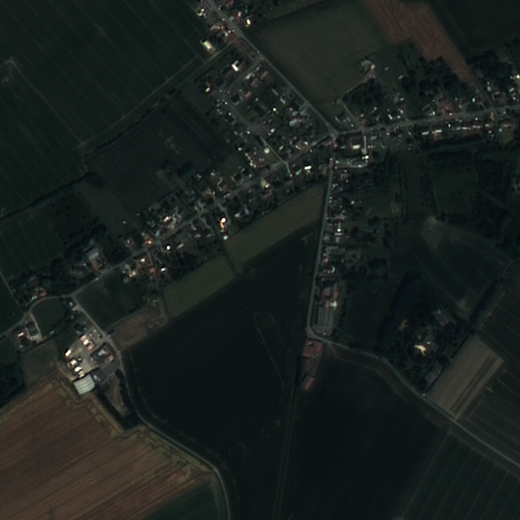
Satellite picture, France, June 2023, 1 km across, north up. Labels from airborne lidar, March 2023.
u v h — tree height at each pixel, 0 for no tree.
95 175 10
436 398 0
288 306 0
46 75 0
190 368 0
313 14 0
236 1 11
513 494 0
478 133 0
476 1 0
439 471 0
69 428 0
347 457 0
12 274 0
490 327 0
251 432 0
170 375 0
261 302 0
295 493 0
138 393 0
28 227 0
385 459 0
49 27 0
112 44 0
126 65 0
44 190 0
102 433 0
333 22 0
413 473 0
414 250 0
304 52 0
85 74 0
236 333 0
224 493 0
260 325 0
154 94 0
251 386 0
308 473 0
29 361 0
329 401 0
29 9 0
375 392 0
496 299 0
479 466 0
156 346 0
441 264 0
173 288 0
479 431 0
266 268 0
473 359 0
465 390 0
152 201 0
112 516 0
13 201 0
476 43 0
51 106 0
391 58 0
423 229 0
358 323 0
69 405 0
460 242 0
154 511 0
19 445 0
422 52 0
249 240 0
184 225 0
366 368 0
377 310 0
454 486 0
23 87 0
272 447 0
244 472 0
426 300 10
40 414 0
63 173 0
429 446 0
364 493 0
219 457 0
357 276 20
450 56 0
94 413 0
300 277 0
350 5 0
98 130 0
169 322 0
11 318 0
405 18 0
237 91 0
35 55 0
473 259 0
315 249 0
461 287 0
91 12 0
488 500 0
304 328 0
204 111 0
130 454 0
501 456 0
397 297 0
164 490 0
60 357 0
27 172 0
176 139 0
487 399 0
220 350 0
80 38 0
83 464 0
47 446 0
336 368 0
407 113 0
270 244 0
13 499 0
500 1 0
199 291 0
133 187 0
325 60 0
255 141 0
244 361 0
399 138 0
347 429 0
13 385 15
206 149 0
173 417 0
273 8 0
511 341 0
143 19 0
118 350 0
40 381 0
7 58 0
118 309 0
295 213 0
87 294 0
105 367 0
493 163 8
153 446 0
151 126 0
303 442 0
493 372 0
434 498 0
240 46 0
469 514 0
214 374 0
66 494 0
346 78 0
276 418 0
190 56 0
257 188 8
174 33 0
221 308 0
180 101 0
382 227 0
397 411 0
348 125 0
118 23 0
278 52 0
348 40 0
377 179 14
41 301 0
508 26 0
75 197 0
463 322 13
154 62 0
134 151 0
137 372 0
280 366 0
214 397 0
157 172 0
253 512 0
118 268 0
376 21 0
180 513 0
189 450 0
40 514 0
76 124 0
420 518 0
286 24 0
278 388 0
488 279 0
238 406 0
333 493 0
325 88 0
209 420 0
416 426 0
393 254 0
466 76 0
